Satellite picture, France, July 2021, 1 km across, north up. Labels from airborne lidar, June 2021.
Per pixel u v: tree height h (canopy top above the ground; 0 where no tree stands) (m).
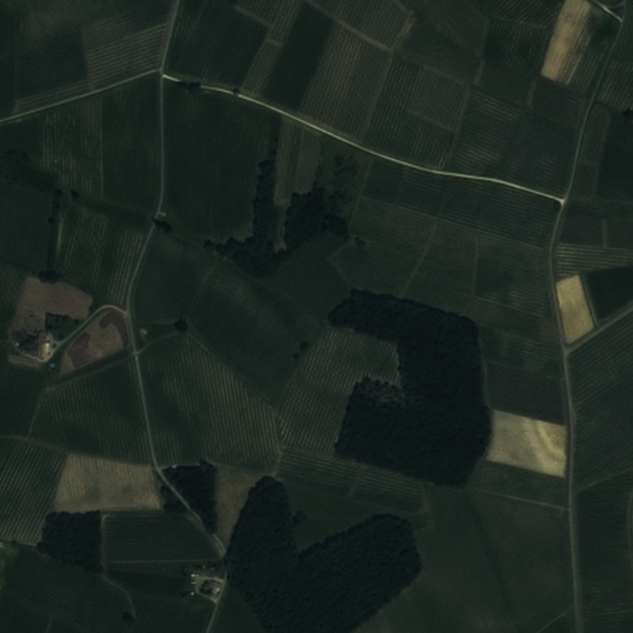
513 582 0
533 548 0
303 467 0
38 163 0
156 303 0
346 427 13
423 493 0
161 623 0
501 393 0
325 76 0
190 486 12
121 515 0
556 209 6
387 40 0
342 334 0
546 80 0
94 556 20
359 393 15
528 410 0
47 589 0
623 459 0
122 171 0
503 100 0
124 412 0
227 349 0
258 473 0
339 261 0
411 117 0
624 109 0
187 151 0
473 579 0
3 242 0
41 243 0
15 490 0
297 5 0
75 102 0
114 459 0
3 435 0
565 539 0
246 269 13
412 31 0
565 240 0
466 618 0
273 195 17
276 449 0
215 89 0
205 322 0
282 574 25
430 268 0
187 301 0
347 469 0
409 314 19
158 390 0
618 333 0
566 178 0
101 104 0
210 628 0
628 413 0
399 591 18
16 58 0
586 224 0
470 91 0
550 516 0
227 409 0
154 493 0
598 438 0
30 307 0
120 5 0
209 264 0
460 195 0
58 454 0
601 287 0
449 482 15
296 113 0
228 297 0
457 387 17
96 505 0
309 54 0
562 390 0
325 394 0
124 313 0
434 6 0
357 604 23
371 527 19
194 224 0
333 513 0
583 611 0
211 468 15
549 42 0
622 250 0
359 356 0
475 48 0
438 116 0
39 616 0
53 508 0
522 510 0
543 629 0
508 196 0
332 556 21
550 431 0
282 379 0
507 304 0
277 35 0
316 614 23
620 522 0
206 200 0
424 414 19
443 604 0
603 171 0
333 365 0
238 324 0
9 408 0
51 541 19
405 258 0
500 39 0
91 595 0
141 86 0
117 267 0
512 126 0
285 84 0
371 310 23
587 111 0
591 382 0
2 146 0
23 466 0
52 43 0
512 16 0
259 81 0
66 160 0
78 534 15
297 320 0
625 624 0
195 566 6
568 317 0
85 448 0
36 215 0
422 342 24
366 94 0
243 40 0
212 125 0
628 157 0
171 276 0
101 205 0
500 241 0
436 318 17
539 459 0
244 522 16
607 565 0
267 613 15
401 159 0
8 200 0
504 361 0
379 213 0
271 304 0
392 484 0
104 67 0
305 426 0
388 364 0
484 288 0
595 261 0
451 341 23
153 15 0
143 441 0
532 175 0
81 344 0
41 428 0
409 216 0
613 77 0
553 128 0
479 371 18
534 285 0
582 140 0
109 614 0
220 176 0
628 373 0
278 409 0
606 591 0
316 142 0
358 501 0
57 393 0
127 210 0
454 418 20
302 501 0
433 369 22
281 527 18
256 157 0
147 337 0
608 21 0
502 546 0
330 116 0
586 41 0
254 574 25
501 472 0
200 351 0
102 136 0
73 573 0
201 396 0
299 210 15
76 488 0
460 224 0
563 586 0
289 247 10
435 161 0
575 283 0
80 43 0
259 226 13
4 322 0
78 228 0
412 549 20
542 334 0
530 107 0
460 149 0
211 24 0
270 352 0
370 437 21
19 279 0
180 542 0
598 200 0
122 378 0
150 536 0
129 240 0
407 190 0
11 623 0
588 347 0
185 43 0
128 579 0
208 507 15
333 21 0
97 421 0
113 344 0
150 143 0
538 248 0
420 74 0
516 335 0
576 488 0
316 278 0
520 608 0
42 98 0
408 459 16
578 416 0
